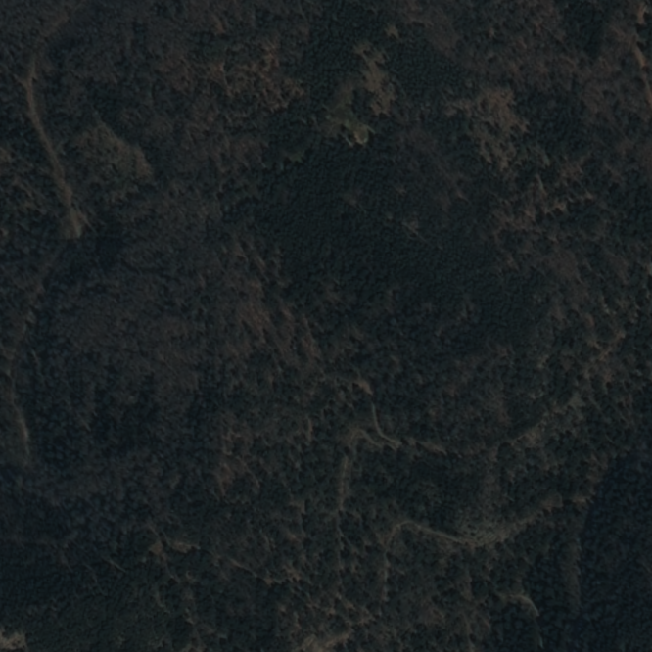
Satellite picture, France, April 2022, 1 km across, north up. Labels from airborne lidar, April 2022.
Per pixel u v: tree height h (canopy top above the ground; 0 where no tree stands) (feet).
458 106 67
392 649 79
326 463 64
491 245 58
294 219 73
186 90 23
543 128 31
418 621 98
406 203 55
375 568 73
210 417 76
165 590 106
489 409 37
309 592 95
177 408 82
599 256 88
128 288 94
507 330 65
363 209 51
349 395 118
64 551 32
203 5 69
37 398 51
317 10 43
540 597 100
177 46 74
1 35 96
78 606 66
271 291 88
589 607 77
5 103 88
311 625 29
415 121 58
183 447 77
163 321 78
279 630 63
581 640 39
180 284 57
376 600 64
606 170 93
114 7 90
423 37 49
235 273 79
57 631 62
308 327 77
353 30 69
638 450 80
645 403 87
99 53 78
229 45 85
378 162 50
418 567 95
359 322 112
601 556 72
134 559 72
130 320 78
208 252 86
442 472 54
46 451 54
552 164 37
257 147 45
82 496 107
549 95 45
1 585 44
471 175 47
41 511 42
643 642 68
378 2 82
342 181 72
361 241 78
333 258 54
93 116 80
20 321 44
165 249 85
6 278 89
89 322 88
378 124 74
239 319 84
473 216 59
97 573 29
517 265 51
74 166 59
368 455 69
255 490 89
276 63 43
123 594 72
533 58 81
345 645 62
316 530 82
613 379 26
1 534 32
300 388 52
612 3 81
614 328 92
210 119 70
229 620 78
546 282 88
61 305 78
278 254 38
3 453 52
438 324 74
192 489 84
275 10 52
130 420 21
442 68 56
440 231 63
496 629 93
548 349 85
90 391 101
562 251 73
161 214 68
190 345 88
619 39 87
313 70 81
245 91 27
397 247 73
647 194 90
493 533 21
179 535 87
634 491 99
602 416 86
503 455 81
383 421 60
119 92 85
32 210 27
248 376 35
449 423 42
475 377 79
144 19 78
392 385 98
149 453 87
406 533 54
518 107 52
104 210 44
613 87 102
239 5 61
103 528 84
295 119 85
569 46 69
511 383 91
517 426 37
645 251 88
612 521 105
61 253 57
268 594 87
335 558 73
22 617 42
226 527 56
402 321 112
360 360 31
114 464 105
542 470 77
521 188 32
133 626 69
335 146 61
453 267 65
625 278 93
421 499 98
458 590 77
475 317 106
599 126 65
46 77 57
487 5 72
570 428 82
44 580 43
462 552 81
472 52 70
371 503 53
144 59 78
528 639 110
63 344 83
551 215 26
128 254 89
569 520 75
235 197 78
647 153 67
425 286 76
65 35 42
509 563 80
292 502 79
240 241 56
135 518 89
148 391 87
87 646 67
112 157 94
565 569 93
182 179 74
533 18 72
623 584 85
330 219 75
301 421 62
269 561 64
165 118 82
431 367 82
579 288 91
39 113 54
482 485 61
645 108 107
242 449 57
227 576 85
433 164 72
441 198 54
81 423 93
